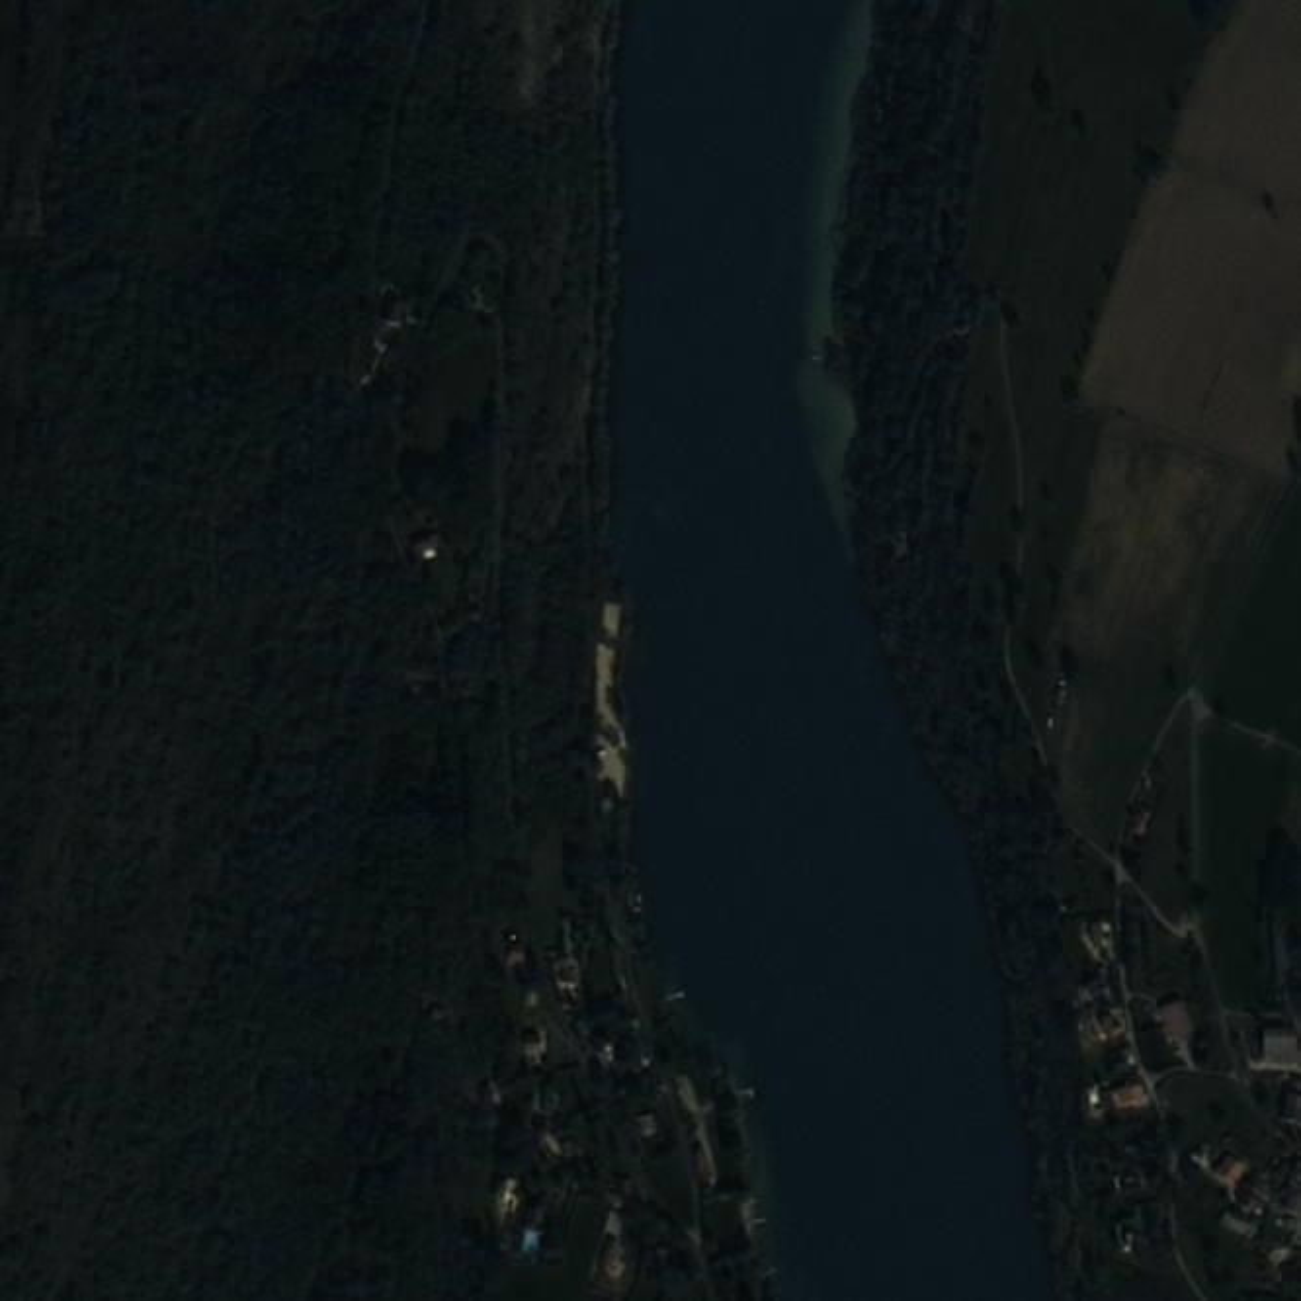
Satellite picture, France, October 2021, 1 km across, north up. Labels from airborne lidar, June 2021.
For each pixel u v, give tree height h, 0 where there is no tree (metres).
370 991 18
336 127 23
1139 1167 7
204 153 8
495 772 13
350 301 13
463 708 17
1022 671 0
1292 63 0
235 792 7
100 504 6
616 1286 0
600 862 17
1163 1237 11
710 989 0
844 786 0
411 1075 15
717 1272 7
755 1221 0
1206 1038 6
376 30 19
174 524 8
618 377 0
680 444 0
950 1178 0
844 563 0
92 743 11
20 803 10
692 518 0
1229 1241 0
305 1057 16
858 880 0
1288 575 0
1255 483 0
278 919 14
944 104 8
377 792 12
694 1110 0
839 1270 0
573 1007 8
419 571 13
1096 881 0
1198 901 10
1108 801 0
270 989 13
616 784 0
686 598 0
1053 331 0
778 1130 0
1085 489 0
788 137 0
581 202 7
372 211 14
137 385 9
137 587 8
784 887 0
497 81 7
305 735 13
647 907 0
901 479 10
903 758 0
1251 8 0
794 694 0
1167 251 0
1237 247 0
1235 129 0
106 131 9
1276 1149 8
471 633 9
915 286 8
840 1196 0
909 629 7
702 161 0
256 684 7
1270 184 0
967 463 0
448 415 0
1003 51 0
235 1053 11
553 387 6
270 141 17
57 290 12
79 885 6
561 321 8
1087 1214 8
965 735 6
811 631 0
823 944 0
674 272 0
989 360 0
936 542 7
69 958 8
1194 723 0
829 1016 0
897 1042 0
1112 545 0
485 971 14
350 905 18
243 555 10
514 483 6
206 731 7
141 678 6
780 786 0
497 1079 17
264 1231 9
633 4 0
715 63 0
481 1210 0
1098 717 0
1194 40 0
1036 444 0
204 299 17
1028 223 0
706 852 0
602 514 9
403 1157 20
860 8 0
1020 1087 7
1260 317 0
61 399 5
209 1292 15
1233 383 0
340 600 6
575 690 19
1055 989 17
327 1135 18
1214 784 0
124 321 13
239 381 12
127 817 7
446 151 12
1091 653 0
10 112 0
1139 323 0
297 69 5
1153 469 0
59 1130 9
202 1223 8
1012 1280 0
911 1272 0
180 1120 10
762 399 0
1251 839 0
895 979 0
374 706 17
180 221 6
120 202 11
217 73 12
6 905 10
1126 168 0
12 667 7
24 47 11
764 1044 0
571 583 19
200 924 9
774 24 0
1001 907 10
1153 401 0
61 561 7
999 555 0
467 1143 17
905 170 9
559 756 17
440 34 16
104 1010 10
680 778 0
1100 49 0
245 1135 10
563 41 13
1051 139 0
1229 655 0
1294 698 0
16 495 5
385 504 18
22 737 6
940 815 0
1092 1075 0
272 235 29
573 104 8
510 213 16
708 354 0
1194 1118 0
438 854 22
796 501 0
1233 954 0
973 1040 0
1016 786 0
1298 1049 0
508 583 11
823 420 0
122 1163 7
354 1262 17
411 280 8
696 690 0
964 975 0
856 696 0
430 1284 17
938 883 0
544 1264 10
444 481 19
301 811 10
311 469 16
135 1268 9
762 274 0
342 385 12
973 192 12
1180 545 0
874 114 13
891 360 21
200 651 6
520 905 20
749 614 0
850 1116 0
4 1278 8
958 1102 0
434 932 17
